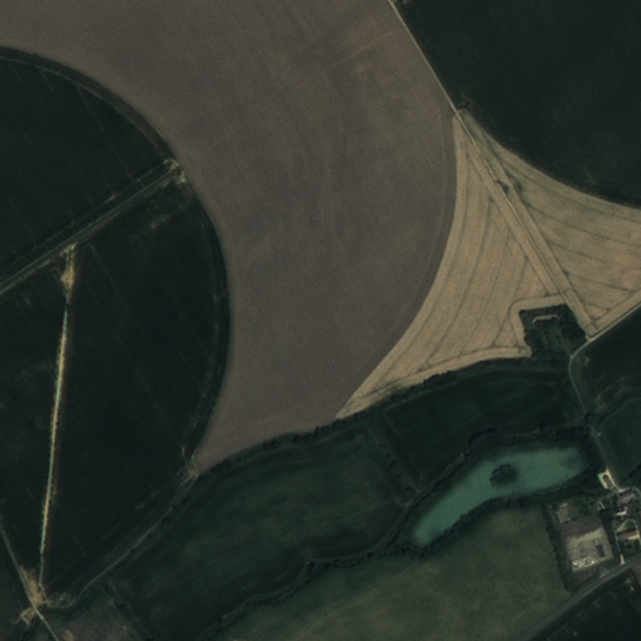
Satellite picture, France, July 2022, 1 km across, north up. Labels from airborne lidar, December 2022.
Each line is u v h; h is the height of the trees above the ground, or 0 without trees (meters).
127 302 0
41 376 0
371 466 0
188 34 0
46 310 0
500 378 0
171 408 0
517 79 0
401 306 0
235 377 0
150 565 0
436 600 0
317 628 0
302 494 0
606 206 0
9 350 0
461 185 0
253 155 0
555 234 0
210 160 0
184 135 0
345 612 0
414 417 0
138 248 0
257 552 0
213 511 0
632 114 0
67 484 0
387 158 0
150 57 0
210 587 0
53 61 0
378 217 0
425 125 0
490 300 0
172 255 0
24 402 0
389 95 0
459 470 10
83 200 0
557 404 0
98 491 0
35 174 0
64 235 0
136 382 0
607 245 0
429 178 0
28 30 0
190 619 0
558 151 0
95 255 0
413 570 0
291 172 0
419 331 0
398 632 0
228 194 0
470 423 0
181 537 0
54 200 0
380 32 0
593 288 0
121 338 0
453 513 0
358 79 0
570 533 0
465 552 0
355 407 0
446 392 0
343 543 0
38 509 0
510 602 0
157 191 0
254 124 0
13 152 0
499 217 0
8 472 0
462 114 0
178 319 0
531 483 0
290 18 0
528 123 0
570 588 12
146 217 0
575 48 0
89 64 0
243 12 0
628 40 0
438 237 0
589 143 0
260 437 0
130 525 0
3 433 0
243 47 0
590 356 0
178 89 0
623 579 0
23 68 0
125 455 0
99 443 0
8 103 0
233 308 0
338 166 0
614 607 0
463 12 0
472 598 0
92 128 0
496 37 0
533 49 0
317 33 0
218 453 0
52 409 0
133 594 0
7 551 0
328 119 0
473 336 0
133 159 0
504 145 0
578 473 0
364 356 0
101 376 0
